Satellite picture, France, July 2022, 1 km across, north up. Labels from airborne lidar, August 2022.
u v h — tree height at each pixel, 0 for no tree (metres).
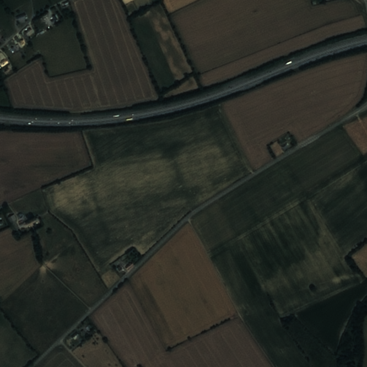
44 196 0
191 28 0
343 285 0
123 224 0
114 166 0
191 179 0
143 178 0
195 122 0
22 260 0
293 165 0
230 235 0
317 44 9
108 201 0
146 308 0
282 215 0
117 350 0
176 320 0
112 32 0
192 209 0
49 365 0
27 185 0
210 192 0
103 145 0
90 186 0
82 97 0
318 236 0
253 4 0
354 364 20
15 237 18
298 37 0
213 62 0
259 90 0
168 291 0
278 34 0
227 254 0
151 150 0
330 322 0
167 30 0
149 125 0
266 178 0
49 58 0
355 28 0
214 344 0
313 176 0
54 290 0
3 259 0
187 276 0
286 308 0
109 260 0
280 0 0
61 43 0
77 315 0
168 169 0
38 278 0
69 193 0
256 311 0
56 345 0
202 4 0
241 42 0
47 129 10
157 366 0
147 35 0
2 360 0
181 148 0
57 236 0
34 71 0
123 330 0
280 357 0
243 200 0
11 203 0
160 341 0
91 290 0
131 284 0
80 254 0
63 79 0
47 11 11
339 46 0
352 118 0
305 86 0
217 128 0
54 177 0
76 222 0
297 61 0
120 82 0
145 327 0
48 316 0
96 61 0
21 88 0
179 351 0
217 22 0
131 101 0
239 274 0
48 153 0
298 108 0
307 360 18
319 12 0
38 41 0
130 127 0
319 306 0
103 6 0
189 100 0
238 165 0
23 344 0
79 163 0
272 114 0
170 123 0
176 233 0
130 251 11
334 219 0
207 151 0
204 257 0
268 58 0
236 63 0
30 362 13
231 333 0
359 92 0
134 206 0
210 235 0
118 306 0
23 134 0
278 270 0
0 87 7
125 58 0
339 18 0
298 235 0
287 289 0
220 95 0
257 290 0
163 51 0
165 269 0
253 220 0
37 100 0
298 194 0
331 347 0
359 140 0
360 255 0
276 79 11
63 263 0
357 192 0
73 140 0
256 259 0
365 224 0
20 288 0
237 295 0
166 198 0
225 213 0
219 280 0
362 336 10
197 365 0
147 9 12
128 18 8
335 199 0
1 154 0
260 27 0
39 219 16
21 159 0
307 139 0
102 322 0
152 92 0
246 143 0
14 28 0
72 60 0
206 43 0
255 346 0
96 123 0
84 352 0
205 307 0
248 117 0
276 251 0
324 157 0
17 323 0
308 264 0
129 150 0
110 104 0
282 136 0
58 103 0
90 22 0
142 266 0
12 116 0
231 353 0
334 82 0
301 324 7
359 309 16
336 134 0
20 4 0
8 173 0
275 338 0
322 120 0
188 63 9
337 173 0
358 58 0
